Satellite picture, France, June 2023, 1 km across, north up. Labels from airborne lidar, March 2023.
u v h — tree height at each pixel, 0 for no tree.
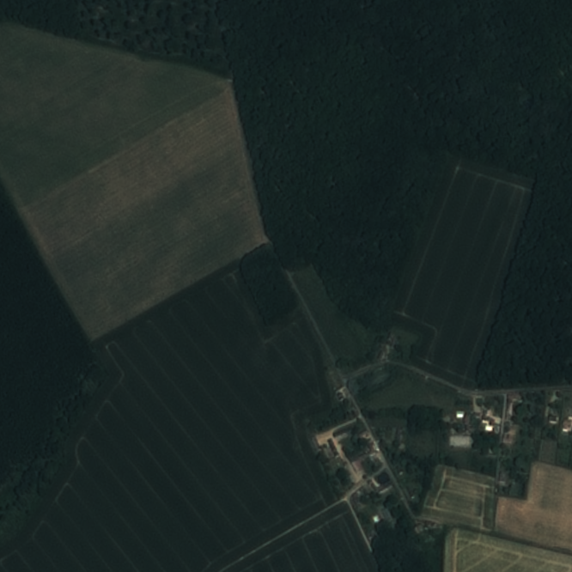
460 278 0
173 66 0
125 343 0
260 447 0
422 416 27
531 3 17
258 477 0
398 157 25
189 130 0
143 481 0
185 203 0
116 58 0
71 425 17
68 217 0
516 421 16
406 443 0
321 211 22
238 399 0
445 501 0
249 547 0
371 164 20
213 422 0
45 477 20
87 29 24
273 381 0
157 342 0
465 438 0
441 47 27
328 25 24
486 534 0
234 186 0
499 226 0
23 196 0
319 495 0
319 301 0
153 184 0
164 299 0
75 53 0
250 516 0
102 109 0
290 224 22
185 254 0
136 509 0
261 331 0
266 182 19
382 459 0
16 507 20
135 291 0
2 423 15
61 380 16
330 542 0
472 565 0
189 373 0
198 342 0
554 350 30
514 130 24
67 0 21
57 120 0
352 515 0
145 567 0
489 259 0
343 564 0
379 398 0
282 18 25
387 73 27
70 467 0
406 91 24
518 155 20
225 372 0
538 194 19
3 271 15
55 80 0
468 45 26
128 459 0
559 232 24
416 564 30
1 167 0
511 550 0
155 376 0
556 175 24
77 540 0
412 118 24
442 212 0
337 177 22
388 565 23
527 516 0
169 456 0
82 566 0
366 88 26
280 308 21
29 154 0
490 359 20
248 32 27
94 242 0
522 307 24
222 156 0
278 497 0
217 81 0
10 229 16
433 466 12
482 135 22
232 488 0
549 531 0
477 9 25
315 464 0
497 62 23
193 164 0
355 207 25
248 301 0
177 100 0
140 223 0
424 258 0
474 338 0
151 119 0
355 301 20
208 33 25
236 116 0
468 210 0
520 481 12
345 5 27
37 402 17
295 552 0
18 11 21
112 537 0
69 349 15
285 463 0
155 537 0
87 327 0
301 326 0
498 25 24
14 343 15
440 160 17
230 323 0
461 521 0
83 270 0
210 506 0
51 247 0
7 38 0
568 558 0
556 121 23
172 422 0
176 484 0
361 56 23
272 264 22
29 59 0
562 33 15
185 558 0
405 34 29
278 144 21
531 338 26
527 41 18
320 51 25
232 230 0
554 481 0
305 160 18
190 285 0
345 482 13
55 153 0
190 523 0
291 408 0
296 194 22
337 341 0
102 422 0
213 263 0
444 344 0
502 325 21
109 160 0
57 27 21
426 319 0
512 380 23
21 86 0
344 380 0
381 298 23
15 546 0
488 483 0
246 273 16
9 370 14
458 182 0
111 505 0
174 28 29
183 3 0
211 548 0
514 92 22
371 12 24
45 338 14
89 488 0
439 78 31
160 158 0
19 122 0
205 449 0
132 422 0
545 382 24
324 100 21
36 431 16
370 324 21
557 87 19
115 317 0
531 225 21
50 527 0
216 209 0
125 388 0
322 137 22
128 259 0
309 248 23
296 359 0
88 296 0
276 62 25
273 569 0
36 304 14
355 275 24
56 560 0
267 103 20
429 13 24
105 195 0
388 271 23
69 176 0
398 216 23
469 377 0
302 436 0
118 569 0
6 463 16
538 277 28
